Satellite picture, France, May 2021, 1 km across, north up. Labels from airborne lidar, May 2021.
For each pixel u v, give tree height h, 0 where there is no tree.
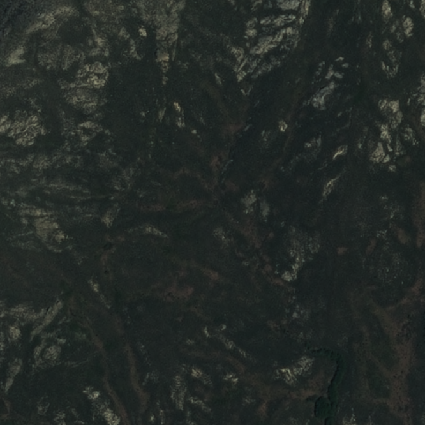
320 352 15
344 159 0
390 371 0
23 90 0
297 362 0
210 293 0
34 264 0
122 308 0
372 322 0
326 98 0
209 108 0
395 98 0
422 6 0
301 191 0
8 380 0
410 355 0
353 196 0
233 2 0
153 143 0
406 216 0
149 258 0
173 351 0
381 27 0
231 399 0
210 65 0
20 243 0
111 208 0
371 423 0
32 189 0
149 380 0
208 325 0
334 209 0
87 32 0
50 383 0
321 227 0
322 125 0
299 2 0
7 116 0
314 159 0
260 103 0
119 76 0
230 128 0
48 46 0
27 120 0
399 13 0
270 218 0
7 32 0
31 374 0
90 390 0
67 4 0
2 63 0
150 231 0
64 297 0
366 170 0
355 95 0
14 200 0
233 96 0
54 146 0
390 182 0
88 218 0
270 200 0
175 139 0
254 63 0
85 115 0
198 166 0
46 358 0
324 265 0
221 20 0
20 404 0
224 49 0
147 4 0
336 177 0
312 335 0
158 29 0
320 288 0
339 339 0
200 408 0
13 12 0
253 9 0
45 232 0
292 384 0
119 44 0
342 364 18
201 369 0
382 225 0
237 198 0
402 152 0
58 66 0
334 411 9
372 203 0
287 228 0
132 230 0
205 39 0
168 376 0
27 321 0
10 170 0
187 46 0
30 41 0
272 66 0
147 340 0
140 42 0
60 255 0
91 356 0
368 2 0
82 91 0
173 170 0
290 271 0
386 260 0
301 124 0
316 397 10
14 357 0
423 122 0
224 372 0
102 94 0
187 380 0
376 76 0
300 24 0
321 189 0
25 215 0
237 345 0
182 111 0
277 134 0
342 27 0
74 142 0
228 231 0
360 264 0
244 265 0
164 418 0
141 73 0
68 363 0
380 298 0
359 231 0
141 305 0
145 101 0
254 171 0
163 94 0
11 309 0
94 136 0
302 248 0
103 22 0
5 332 0
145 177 0
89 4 0
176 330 0
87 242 0
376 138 0
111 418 0
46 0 0
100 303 0
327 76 0
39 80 0
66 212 0
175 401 0
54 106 0
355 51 0
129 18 0
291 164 0
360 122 0
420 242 0
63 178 0
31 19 0
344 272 0
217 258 0
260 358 0
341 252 0
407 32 0
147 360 0
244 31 0
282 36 0
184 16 0
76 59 0
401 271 0
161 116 0
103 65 0
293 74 0
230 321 0
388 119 0
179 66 0
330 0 0
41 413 0
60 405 0
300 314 0
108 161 0
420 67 0
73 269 0
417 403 0
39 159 0
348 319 0
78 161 0
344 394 0
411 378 0
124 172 0
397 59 0
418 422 0
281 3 0
